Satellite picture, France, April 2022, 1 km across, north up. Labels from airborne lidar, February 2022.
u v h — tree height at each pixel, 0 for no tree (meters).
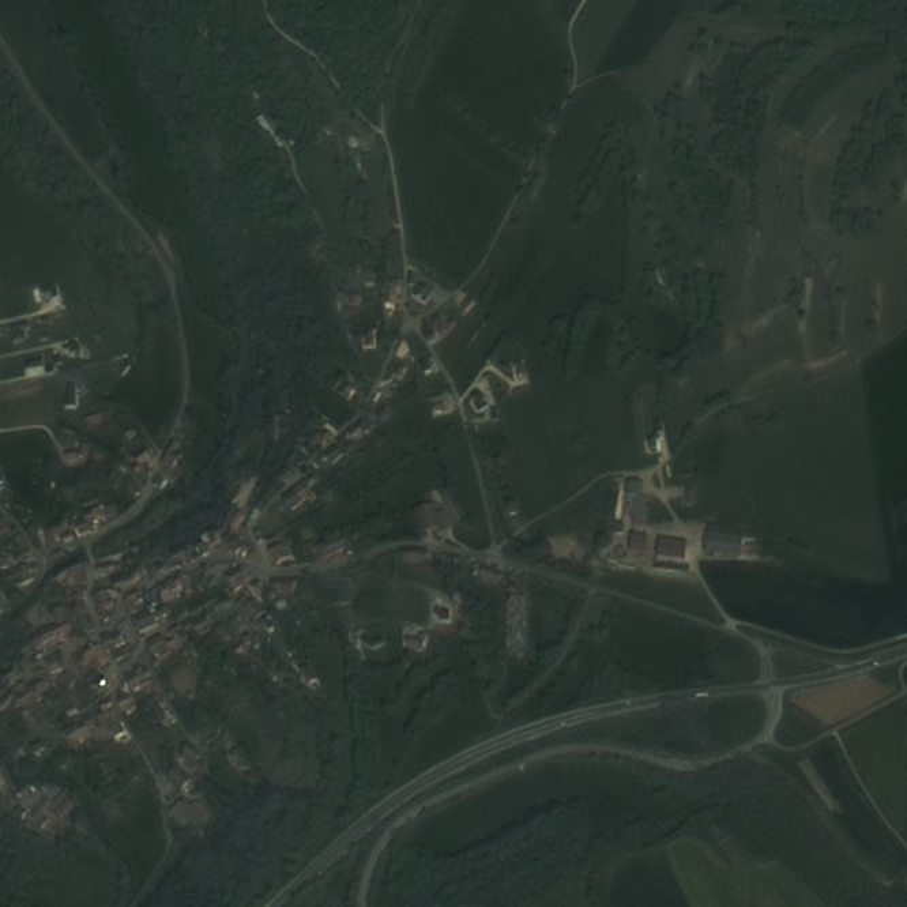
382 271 7
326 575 0
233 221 13
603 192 7
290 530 0
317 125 11
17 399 0
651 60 0
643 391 0
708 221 14
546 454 0
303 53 6
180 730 0
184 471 0
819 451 0
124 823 0
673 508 0
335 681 0
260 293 7
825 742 0
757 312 0
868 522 0
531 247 0
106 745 0
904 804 0
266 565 0
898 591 0
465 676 0
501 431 0
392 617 0
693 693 0
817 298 0
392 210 8
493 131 9
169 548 21
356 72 9
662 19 0
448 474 10
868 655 0
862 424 0
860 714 0
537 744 0
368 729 15
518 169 0
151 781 14
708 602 0
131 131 0
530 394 0
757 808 8
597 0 0
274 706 18
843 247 0
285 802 20
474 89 0
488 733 7
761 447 0
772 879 0
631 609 0
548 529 0
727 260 0
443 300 0
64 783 14
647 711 0
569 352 9
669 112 12
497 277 7
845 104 0
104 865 0
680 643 0
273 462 6
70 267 0
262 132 13
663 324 0
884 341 0
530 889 15
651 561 0
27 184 14
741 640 0
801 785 0
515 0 0
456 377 0
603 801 0
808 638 0
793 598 0
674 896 0
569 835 18
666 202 0
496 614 15
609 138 9
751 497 0
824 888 7
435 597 0
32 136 23
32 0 0
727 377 0
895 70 0
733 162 14
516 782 0
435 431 0
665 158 0
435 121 0
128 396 0
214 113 6
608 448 0
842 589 0
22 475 0
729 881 0
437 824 0
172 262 0
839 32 14
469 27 0
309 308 19
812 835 10
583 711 0
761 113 17
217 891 18
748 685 0
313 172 0
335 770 12
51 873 15
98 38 0
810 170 0
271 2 7
